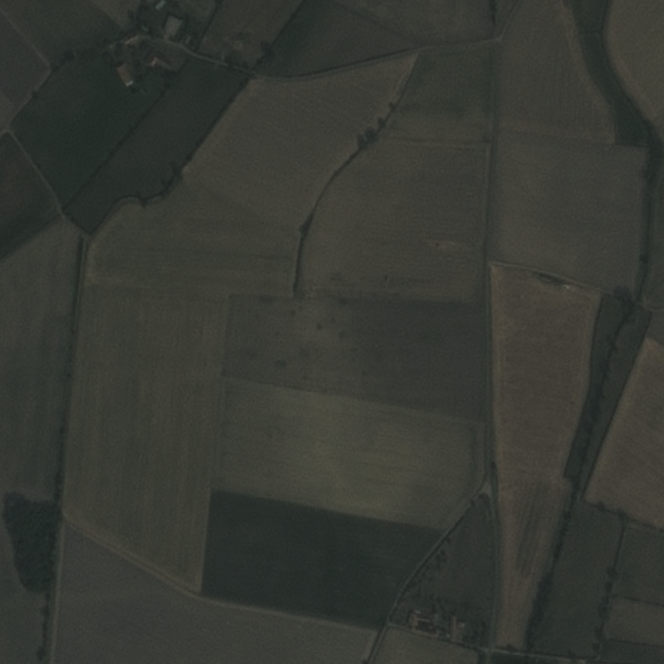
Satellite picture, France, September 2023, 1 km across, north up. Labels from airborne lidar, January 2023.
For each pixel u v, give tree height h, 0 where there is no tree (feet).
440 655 0
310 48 0
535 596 0
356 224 0
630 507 0
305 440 0
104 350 0
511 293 0
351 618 0
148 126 0
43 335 0
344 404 0
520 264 0
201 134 0
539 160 0
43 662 44
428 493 0
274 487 0
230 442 0
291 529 0
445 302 0
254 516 0
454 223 0
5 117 0
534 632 41
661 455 0
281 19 0
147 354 0
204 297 0
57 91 0
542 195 0
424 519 0
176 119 0
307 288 0
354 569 0
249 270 0
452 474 0
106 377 0
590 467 0
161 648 0
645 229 0
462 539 0
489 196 0
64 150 0
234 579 0
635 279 0
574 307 0
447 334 0
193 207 0
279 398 0
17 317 0
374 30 0
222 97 0
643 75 0
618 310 0
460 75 0
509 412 0
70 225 0
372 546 0
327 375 0
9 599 0
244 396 0
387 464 0
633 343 0
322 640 0
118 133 0
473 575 0
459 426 0
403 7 0
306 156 0
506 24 0
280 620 0
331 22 0
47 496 0
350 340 0
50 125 0
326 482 0
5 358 0
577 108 0
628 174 0
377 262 0
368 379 0
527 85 0
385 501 0
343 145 0
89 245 0
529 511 0
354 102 0
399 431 0
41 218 0
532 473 0
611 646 0
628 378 0
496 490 0
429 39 0
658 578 0
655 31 0
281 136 0
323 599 0
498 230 0
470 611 0
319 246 0
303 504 0
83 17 0
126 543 0
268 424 0
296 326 0
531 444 0
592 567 0
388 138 0
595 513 0
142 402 0
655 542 0
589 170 0
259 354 0
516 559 0
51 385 0
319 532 0
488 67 0
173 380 0
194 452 0
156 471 0
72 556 0
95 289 0
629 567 0
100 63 0
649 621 0
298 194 0
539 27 0
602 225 0
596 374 0
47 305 0
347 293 0
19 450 0
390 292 0
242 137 0
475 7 0
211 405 0
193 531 0
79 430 0
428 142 0
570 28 0
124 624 0
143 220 0
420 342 0
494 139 0
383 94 0
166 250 0
